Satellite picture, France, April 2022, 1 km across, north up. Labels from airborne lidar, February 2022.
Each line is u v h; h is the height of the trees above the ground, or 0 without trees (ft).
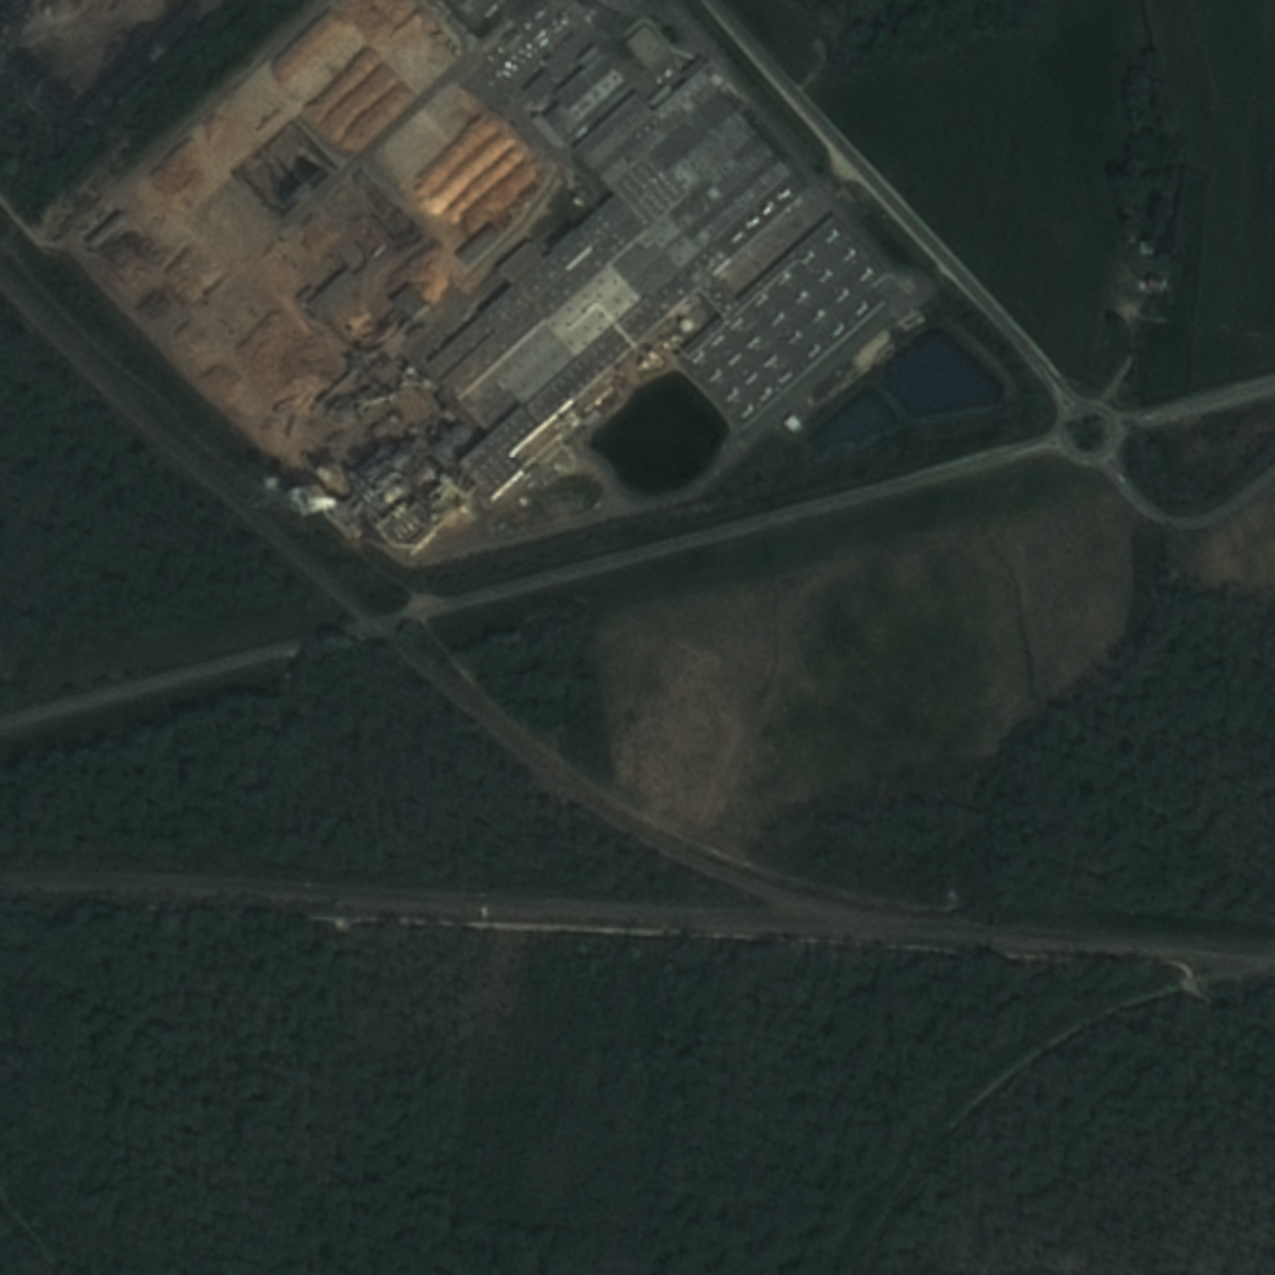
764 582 0
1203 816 88
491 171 0
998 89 0
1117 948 0
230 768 86
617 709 0
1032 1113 74
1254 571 0
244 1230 68
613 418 0
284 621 0
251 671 0
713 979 81
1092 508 0
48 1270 71
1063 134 0
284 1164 72
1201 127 0
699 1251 71
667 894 51
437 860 80
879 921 0
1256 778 76
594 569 0
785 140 0
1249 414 0
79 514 87
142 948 66
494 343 0
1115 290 0
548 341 0
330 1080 77
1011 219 0
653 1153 64
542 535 0
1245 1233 70
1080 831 81
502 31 0
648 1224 73
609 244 0
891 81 0
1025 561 0
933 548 0
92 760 73
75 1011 66
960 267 0
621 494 0
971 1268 30
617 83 0
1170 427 0
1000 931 0
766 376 0
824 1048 93
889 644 0
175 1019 72
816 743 0
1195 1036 72
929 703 0
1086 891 73
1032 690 0
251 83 0
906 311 0
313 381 0
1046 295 0
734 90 0
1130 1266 66
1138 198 70
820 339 0
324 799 94
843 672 0
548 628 26
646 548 0
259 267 0
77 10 0
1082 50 0
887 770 0
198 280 0
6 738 0
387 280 0
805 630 0
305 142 0
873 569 0
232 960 63
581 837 64
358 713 81
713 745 0
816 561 0
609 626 0
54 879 0
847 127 0
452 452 0
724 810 0
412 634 33
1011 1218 71
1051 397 0
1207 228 0
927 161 0
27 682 0
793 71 0
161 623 62
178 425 0
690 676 0
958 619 0
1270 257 0
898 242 0
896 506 0
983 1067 43
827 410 0
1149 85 42
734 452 0
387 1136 85
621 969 49
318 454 0
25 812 81
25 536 80
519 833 71
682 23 0
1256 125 0
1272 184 0
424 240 0
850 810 0
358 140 0
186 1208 80
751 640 0
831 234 0
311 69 0
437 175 0
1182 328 0
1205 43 0
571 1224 57
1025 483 0
